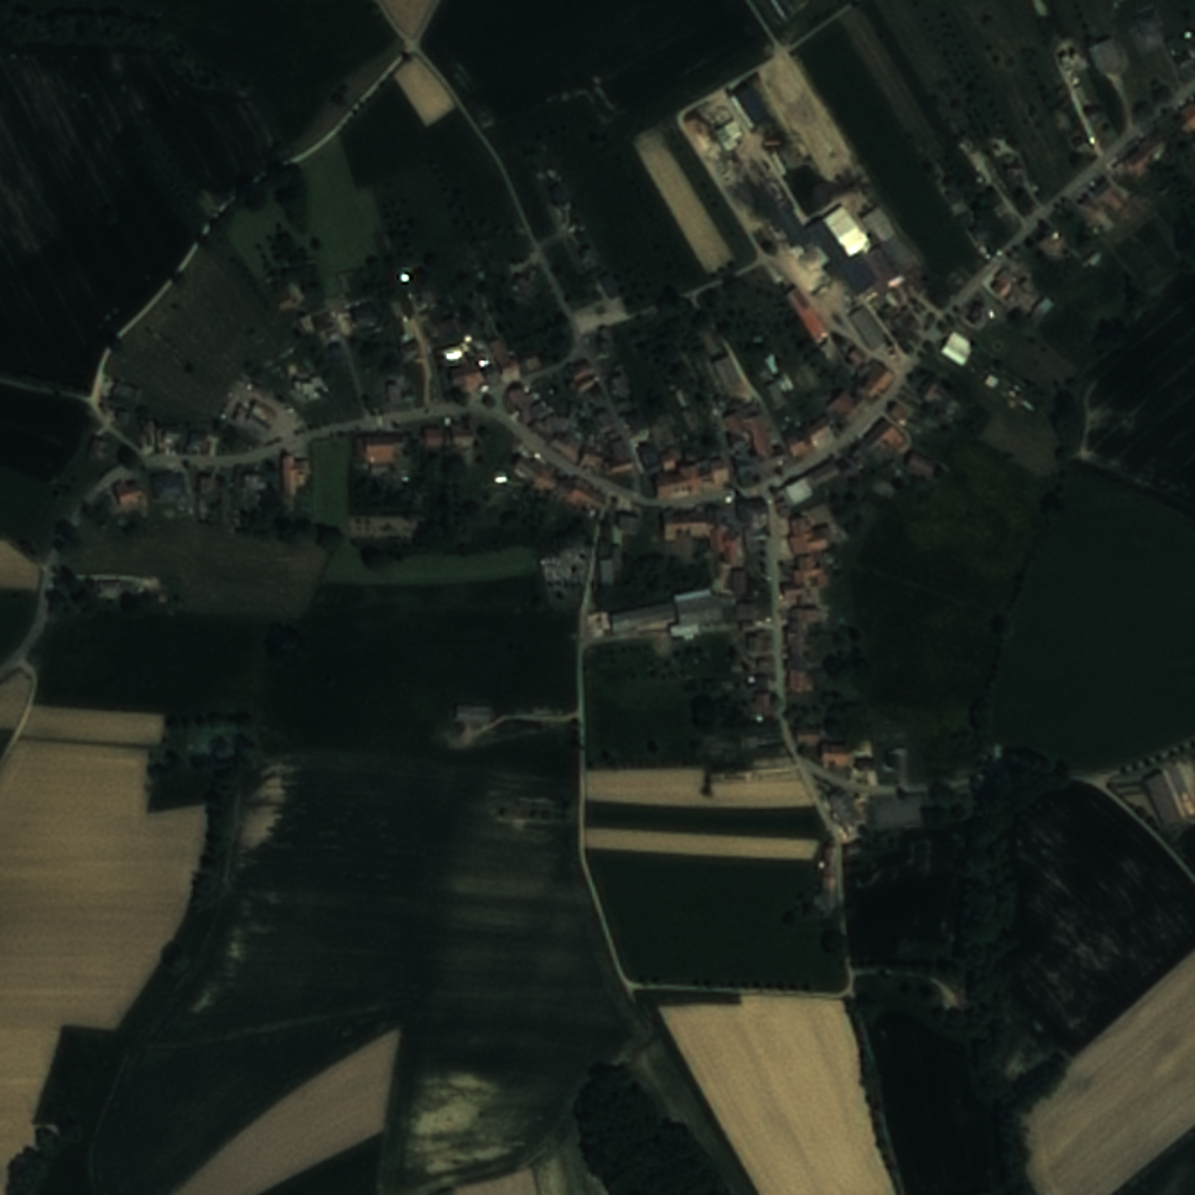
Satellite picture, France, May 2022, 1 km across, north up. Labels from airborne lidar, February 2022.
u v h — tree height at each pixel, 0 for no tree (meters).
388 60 0
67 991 0
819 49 0
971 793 0
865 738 0
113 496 0
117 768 0
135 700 0
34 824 0
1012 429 0
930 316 0
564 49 0
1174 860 0
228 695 0
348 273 0
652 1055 0
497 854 0
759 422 0
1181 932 0
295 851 0
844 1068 0
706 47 0
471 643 0
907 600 0
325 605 0
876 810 0
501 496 0
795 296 0
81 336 0
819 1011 0
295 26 0
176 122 0
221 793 11
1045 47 0
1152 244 0
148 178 0
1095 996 0
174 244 0
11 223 0
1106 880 0
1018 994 0
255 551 0
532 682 0
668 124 0
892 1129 0
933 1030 0
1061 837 0
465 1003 0
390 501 10
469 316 18
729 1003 0
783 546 0
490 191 0
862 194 0
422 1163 0
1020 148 9
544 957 0
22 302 0
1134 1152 0
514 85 0
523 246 0
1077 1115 0
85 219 0
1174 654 0
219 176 0
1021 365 0
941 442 0
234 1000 0
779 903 0
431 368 0
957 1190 0
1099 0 0
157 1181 0
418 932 0
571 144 0
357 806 0
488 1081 0
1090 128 0
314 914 0
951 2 0
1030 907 0
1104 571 0
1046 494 0
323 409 0
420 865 0
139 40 11
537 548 0
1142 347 0
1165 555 0
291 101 0
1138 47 0
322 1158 0
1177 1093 0
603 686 0
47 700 0
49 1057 0
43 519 0
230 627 0
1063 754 0
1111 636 0
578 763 0
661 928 0
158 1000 0
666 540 0
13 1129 0
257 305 0
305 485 0
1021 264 0
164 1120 0
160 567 0
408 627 0
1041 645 0
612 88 0
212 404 0
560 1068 0
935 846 0
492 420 0
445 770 0
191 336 0
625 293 6
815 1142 0
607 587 8
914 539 0
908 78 0
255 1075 0
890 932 0
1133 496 0
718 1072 0
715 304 11
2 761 0
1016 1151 24
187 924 0
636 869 0
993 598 0
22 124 0
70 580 19
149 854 0
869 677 17
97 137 0
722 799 0
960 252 0
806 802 0
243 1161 0
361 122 0
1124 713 0
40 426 0
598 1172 14
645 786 0
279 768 0
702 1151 16
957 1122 0
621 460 0
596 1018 0
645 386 0
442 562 0
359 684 0
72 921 0
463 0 0
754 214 0
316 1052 0
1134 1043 0
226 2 0
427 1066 0
